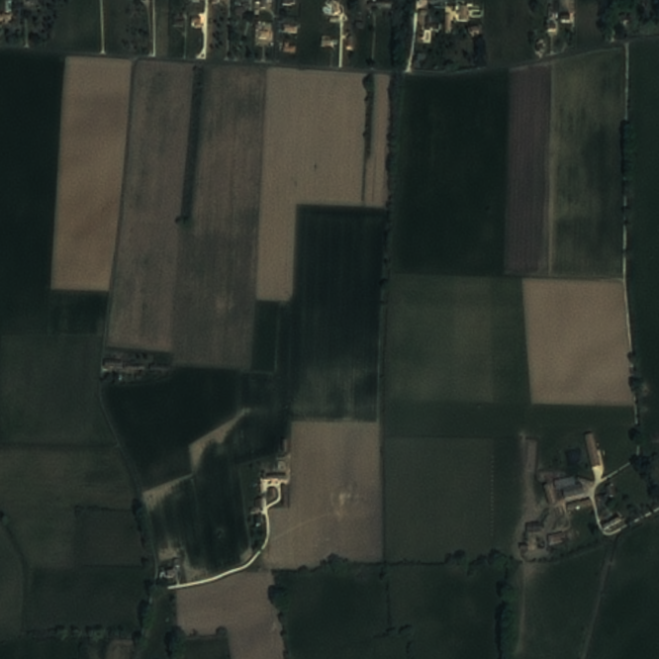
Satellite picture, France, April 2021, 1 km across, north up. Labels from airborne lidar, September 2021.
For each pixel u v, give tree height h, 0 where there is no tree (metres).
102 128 0
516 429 0
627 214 12
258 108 0
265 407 0
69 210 0
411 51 22
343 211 0
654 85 0
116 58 0
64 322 0
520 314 0
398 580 0
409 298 0
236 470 0
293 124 0
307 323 0
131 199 0
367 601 0
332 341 0
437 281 0
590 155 0
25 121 0
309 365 0
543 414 0
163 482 0
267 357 0
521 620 0
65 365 0
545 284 0
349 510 0
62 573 0
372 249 0
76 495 0
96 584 0
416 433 0
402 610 0
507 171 0
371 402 0
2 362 0
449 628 0
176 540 0
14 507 0
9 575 0
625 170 15
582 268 0
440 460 0
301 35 0
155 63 0
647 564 0
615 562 0
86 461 0
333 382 0
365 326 0
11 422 0
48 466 0
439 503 0
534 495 0
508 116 0
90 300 0
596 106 0
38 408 0
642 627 0
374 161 0
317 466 0
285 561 0
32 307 0
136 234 0
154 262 0
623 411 0
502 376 0
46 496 0
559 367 0
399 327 0
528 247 0
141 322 0
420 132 0
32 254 0
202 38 0
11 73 0
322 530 0
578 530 0
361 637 0
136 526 0
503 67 0
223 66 0
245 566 0
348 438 0
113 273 0
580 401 0
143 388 0
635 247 0
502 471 0
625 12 26
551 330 0
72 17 0
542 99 0
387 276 0
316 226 0
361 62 0
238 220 0
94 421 0
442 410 0
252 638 0
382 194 0
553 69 0
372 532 0
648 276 0
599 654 0
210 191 0
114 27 0
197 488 0
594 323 0
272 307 0
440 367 0
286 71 0
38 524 0
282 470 0
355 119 0
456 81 0
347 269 0
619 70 0
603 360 0
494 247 0
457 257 0
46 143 0
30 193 0
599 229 0
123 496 0
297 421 0
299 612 0
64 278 0
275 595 16
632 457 0
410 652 7
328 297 0
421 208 0
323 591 0
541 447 0
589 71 0
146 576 0
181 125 0
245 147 0
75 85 0
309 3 0
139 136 0
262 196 0
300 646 0
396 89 19
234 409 0
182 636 20
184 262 0
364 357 0
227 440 0
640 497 0
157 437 0
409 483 0
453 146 0
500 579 0
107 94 0
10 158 0
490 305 0
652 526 0
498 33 0
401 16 18
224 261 0
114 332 0
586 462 0
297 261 0
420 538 0
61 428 0
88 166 0
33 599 0
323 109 0
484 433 0
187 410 0
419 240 0
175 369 0
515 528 0
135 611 0
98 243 0
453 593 0
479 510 0
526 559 8
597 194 0
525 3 0
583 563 0
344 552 0
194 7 0
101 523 0
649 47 0
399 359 0
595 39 0
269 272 0
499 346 0
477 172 0
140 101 0
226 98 0
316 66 0
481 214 0
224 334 0
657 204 0
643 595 0
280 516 0
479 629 0
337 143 0
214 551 0
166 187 0
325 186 0
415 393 0
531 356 0
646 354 0
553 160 0
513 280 0
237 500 0
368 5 0
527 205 0
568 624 0
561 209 0
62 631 12
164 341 0
